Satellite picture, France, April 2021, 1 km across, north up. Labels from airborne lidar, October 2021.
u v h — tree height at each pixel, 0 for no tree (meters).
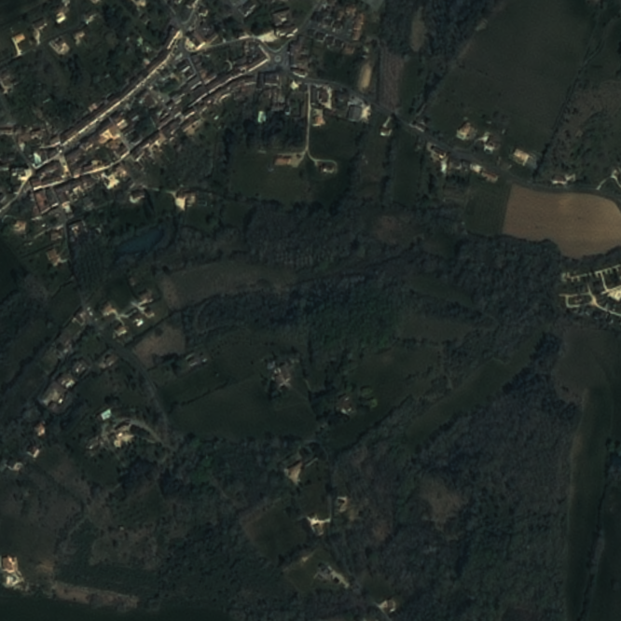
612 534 0
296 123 12
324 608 11
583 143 8
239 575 7
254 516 8
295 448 20
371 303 19
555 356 12
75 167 0
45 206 0
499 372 0
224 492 14
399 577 18
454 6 16
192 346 9
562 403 7
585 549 0
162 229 13
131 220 0
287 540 0
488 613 20
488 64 0
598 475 0
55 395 0
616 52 0
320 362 17
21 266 0
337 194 0
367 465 13
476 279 16
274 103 0
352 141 0
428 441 0
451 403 0
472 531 17
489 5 20
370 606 19
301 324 27
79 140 0
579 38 0
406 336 0
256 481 11
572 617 0
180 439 21
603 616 0
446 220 17
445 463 14
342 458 21
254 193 0
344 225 31
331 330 24
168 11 13
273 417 0
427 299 6
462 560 10
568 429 16
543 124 0
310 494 0
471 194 0
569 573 0
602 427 0
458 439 20
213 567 7
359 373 0
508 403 15
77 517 6
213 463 11
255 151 10
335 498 22
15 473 0
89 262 35
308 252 24
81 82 18
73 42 0
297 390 0
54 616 0
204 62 9
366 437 15
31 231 6
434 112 0
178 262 0
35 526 0
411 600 7
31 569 0
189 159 10
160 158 0
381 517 9
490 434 19
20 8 0
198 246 29
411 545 22
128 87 0
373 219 0
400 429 18
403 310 17
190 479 19
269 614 17
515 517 21
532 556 19
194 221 0
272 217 22
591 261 13
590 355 0
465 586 26
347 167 0
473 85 0
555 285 15
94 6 0
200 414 0
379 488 16
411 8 17
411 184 0
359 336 24
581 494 0
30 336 0
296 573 0
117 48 6
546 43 0
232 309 6
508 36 0
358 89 0
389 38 6
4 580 0
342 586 0
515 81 0
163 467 8
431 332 0
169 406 0
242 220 0
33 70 12
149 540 10
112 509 7
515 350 5
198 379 0
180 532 0
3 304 8
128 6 20
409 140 0
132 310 0
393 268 12
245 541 17
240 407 0
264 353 0
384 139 0
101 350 0
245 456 10
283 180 0
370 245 11
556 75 0
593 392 0
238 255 12
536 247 13
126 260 17
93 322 0
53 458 0
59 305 0
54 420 15
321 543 19
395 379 0
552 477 22
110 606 7
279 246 26
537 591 22
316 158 0
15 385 15
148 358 0
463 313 8
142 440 10
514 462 23
